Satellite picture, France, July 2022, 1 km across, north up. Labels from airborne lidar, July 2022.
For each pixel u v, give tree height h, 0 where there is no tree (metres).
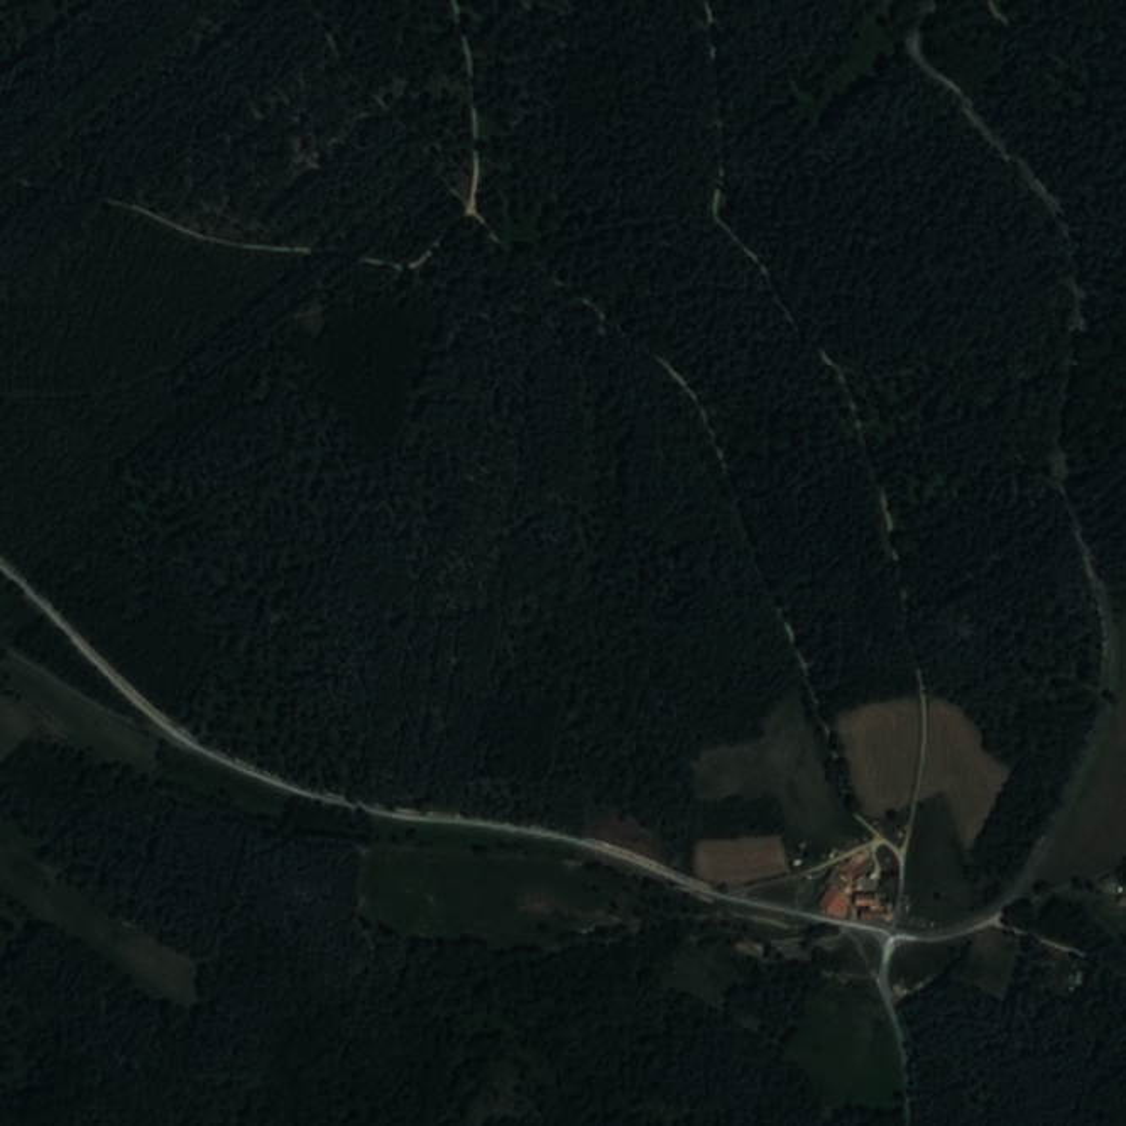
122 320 8
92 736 0
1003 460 19
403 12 10
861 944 0
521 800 19
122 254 8
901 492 8
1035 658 13
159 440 13
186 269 7
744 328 27
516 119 12
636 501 29
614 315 15
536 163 15
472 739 19
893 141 24
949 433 21
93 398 6
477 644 20
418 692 17
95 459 6
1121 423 27
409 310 8
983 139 27
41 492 11
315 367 9
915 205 24
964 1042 16
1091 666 21
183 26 21
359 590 18
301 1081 25
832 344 25
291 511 15
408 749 20
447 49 15
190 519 8
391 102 13
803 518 26
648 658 15
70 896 0
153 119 16
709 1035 18
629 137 26
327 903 25
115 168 18
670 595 9
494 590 19
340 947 28
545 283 21
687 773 15
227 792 7
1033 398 21
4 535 8
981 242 23
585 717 11
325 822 11
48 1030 12
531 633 15
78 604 12
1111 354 20
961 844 0
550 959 11
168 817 24
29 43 8
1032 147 25
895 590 23
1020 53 17
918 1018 18
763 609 27
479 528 19
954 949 8
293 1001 17
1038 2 14
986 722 11
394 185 18
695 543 25
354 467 14
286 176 18
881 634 22
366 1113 9
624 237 26
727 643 26
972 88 15
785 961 8
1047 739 11
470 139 18
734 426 18
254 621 17
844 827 0
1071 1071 16
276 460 13
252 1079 18
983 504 22
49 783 15
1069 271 28
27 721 0
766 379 26
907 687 18
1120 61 24
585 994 18
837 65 21
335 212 23
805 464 23
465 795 22
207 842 22
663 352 18
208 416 16
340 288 10
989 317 27
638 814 16
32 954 23
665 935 10
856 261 25
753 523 21
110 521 9
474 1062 11
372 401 9
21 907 8
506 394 17
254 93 19
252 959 23
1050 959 18
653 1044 13
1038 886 9
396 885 0
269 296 14
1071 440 20
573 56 19
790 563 27
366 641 21
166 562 14
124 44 20
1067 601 23
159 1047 15
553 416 22
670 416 22
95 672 14
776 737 0
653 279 24
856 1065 0
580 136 21
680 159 27
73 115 20
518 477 19
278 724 10
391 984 17
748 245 22
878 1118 17
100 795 18
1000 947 0
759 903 0
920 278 25
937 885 0
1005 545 25
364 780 17
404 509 12
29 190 10
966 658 23
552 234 7
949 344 27
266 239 15
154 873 25
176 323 8
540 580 17
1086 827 0
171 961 0
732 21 27
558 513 19
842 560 26
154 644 14
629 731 12
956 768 0
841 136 31
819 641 14
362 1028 24
